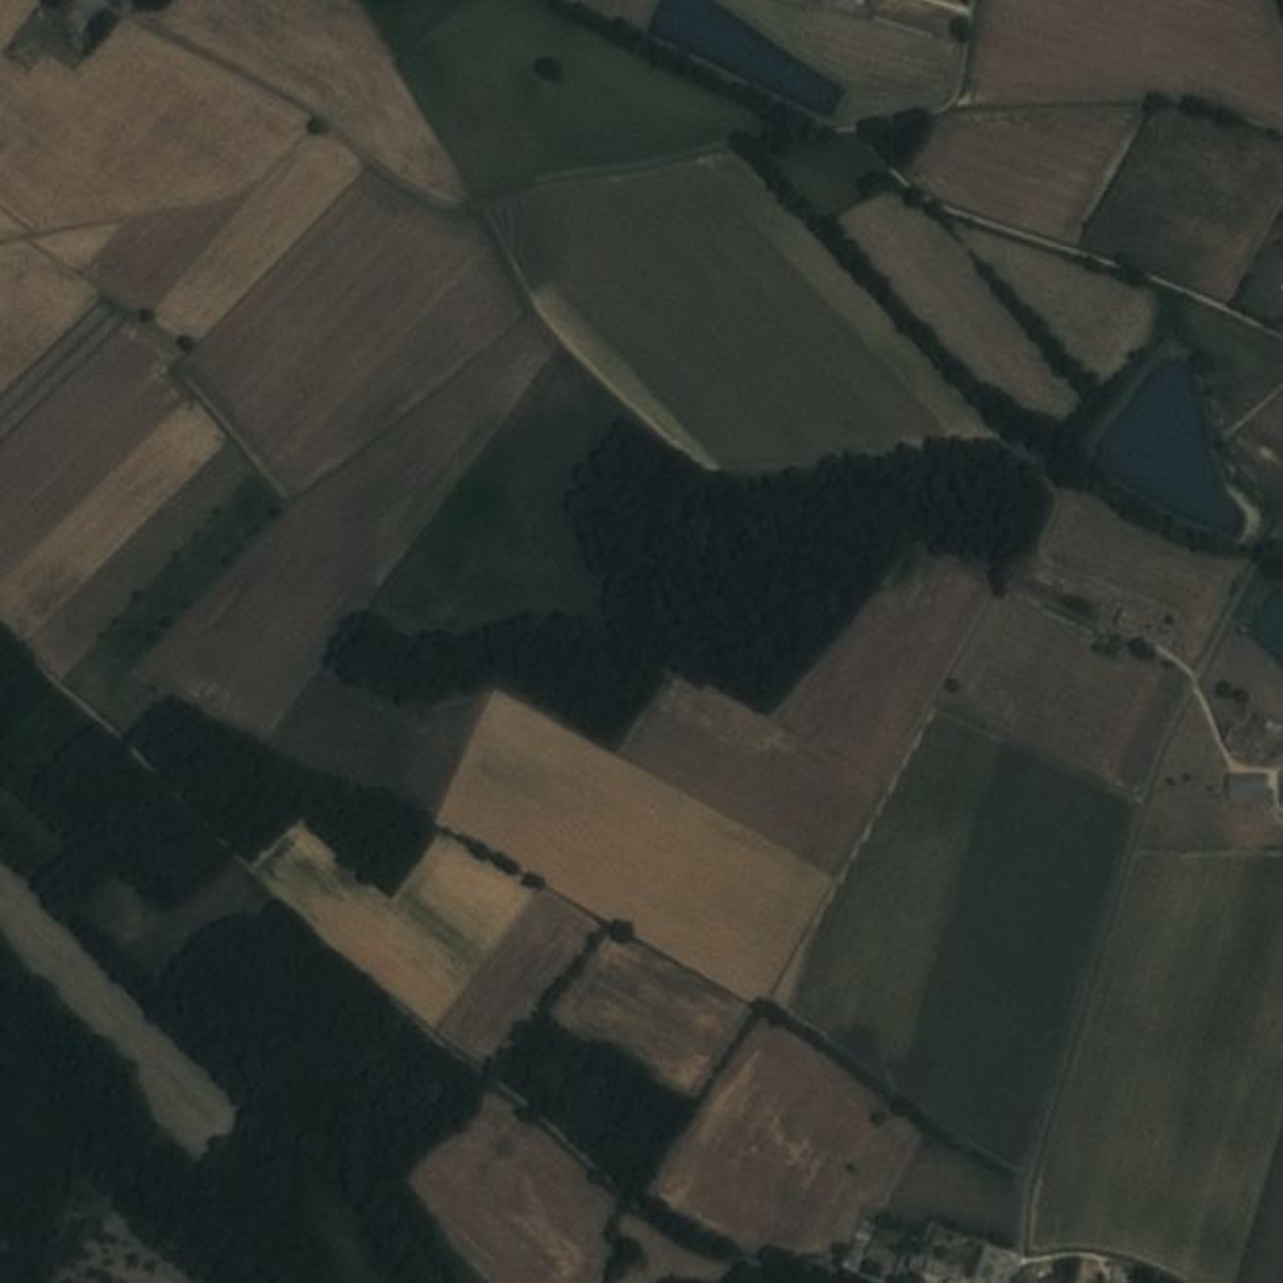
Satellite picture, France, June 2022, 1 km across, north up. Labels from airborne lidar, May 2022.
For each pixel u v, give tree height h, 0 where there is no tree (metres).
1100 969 0
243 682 0
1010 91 0
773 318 0
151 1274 6
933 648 0
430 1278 17
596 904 0
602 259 0
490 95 0
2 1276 15
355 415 0
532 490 0
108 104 0
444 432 0
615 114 0
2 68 0
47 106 0
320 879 0
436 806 0
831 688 0
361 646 25
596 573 20
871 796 0
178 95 0
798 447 0
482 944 0
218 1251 15
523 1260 0
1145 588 0
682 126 0
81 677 0
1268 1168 0
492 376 0
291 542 0
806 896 0
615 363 0
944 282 0
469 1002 0
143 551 0
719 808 0
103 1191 10
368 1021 18
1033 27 0
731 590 26
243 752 11
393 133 0
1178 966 0
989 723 0
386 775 0
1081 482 21
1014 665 0
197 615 0
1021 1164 0
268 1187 23
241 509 0
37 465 0
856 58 0
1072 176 0
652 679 19
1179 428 0
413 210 0
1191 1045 0
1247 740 0
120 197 0
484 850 13
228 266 0
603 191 0
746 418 0
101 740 13
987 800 0
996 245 0
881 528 21
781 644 20
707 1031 0
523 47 0
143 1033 0
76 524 0
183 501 0
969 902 0
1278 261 0
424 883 0
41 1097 21
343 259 0
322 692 0
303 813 10
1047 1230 0
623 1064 18
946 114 0
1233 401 0
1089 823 0
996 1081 0
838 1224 0
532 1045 13
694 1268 0
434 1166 0
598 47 0
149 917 0
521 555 0
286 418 0
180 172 0
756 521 12
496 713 0
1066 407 0
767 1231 0
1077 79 0
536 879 12
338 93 0
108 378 0
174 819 16
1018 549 17
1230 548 20
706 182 0
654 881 0
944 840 0
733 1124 0
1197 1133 0
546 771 0
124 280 0
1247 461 0
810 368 0
